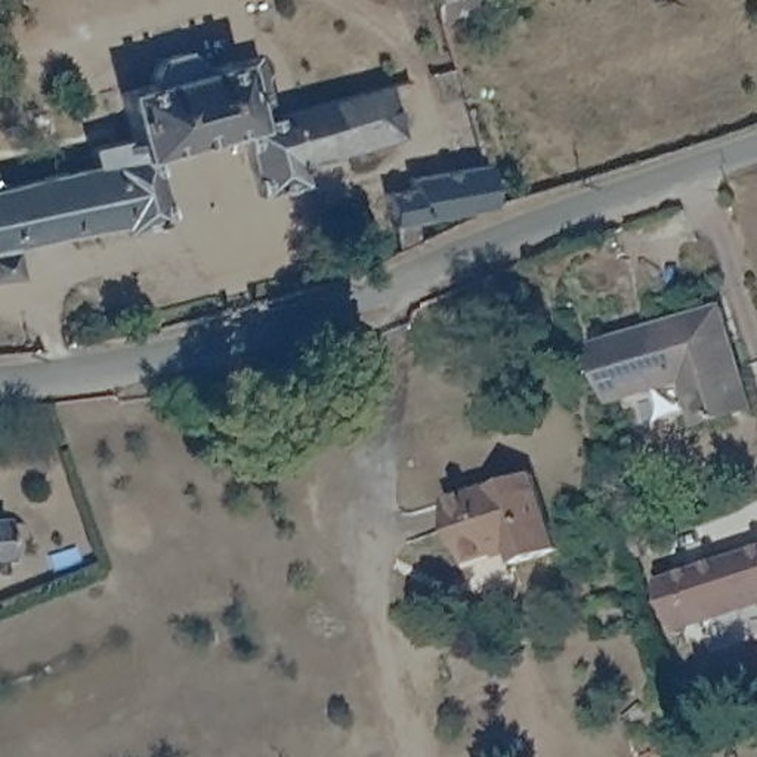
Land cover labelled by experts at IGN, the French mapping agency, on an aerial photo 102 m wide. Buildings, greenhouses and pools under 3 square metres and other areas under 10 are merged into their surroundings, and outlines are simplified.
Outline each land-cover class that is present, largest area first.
<instances>
[{"label":"herbaceous vegetation","instance_id":"1","mask_svg":"<svg viewBox=\"0 0 757 757\"><path fill-rule=\"evenodd\" d=\"M379 6H396L405 12L408 24L417 30L414 38L423 56L435 62L429 65V80L438 103L461 101V106L467 109V121L473 127V142L467 148L417 157L408 160L402 172H387L384 186L370 195L373 219L379 231L393 228L387 219V192L411 189V180L420 174L458 172L482 166L485 160L491 163L503 154L515 157L520 163L523 177L535 180V192L580 183L585 177H594L662 154L683 151L689 145L713 142L757 124V0H529L532 18L517 21L509 30V44H500V53L494 56H485L473 41L461 44L455 38V21L441 18V0H373ZM68 71L74 80L83 77L68 56H50L44 62L41 89L33 92L27 103L15 101H0V148H6L9 142L12 145H18L24 136H35L38 127H44L47 133H62V142L68 148L86 142L89 121L124 109L121 86L115 80L112 86H103L92 95L95 106L89 112H80L77 118H71L68 112H56V106L47 101V92H53V80L59 74ZM724 183H730L733 189L730 219L742 225L745 234V269L757 275V166L739 169L724 177ZM615 228L612 219H583L577 225H568L541 242L523 245L520 254L512 257L500 251L494 260H485L476 251V260L464 269H455L447 287H435L426 293L429 302L420 305L414 316H429V305L452 310L461 302L479 299L485 305L491 296L512 287L517 275V263L544 254L565 240H577L580 245H597L591 257L583 263V275L565 281L568 296H588V302L603 296H621L627 316L612 322H594L600 331H612L639 322L642 316L636 313L642 305V290H656L668 278L674 281V287H689L698 284V269L719 266L713 240L701 231H692L695 240L680 245L674 263H662L645 254H630V248L612 234ZM313 281H305V266L290 260V266L278 269L272 278L251 281L237 296L213 293L166 305H154L139 290V281L130 275L106 284L89 278L68 287L62 299V316L86 302L103 305L109 319H118L124 310L148 313L151 308H157L166 313V328L180 322H186V328L207 325L216 313L213 308H219L222 313L237 310L240 316L254 313L257 302H269L272 308L281 299L302 296ZM44 349V343L30 331L27 322L9 325L6 319H0V355H27ZM470 402V393L461 384L447 381V376L420 367L408 373V405L402 420L414 426V447L408 452H396V509L405 517H411L414 509H435L441 491L452 494L470 485H482L494 476L529 467H535L538 473L547 503H553L559 488H577L583 482V441L591 435L588 399H580V405L571 411L550 408L541 426L529 435H476L464 420V405ZM71 449L109 553V574L101 583H89L77 591H68L62 597H53L47 603H38L21 615L0 621V671L27 668L30 662L65 654L71 645L98 642L112 627H124L130 633V645L109 651L106 656H98L92 662H83L77 671L56 683L35 686L33 674L18 677L12 683V695H6V701L0 704V757H358L349 748L352 722L358 727H370L384 713L379 698L381 665L373 642L367 615L355 603V571L340 565L337 571H328L325 565V526L313 529L310 523V509L305 503V479L296 485H278L287 503V520L296 523V529L287 535L275 529L269 512H228L222 503V491L228 479L219 470H210L198 455H192L183 447L180 429L172 420H160L148 408V387L139 379L136 384H124L118 396L56 405ZM242 606L257 615V624L248 633V639L257 645L251 659H240L228 636V621H234L242 612ZM645 432L642 449H654V455L683 458L689 464H739L742 479L751 482V494L757 497V414L751 417L739 411H733V435L713 438V455L701 452L698 438H677L665 417L651 426H639ZM27 473H44L50 485L47 500H30L24 494L21 482ZM6 509L21 517L15 538L18 562H0V603L24 591L50 585L68 574L86 571L98 562V556L89 553L86 532L59 461L27 458L0 467V512ZM476 556V544L470 538H458L452 526L441 529L435 535L405 541L399 559L411 565V574L405 577L402 591L426 597L435 580L455 588L464 577L458 565ZM529 583L541 591H559L565 580L559 568L547 565H517V577L512 580L515 588L523 591ZM618 574H600L585 577L580 585H574L577 594L588 600L583 609L588 618H609L621 612V606L603 597H591L588 588L615 585ZM677 648V654L662 656L656 662V677H648L639 648L627 633L609 639L571 633L565 639V651L556 659L544 662L535 659L532 639H520V662L506 677L476 668L473 662L455 656L452 648H438L435 692L444 701L438 704L435 736L441 742V751L435 757H467L476 730L488 724L482 701L485 686L491 683L500 686L503 695L500 716L529 736L535 757H642L651 748V719L674 710L680 704V695L692 689L695 680H730L739 692H757V606L727 609L722 615H710L698 624H689L686 633L671 630L665 636ZM618 674L627 677L630 689L618 701L612 724L603 730H583L577 724L574 710L588 707L591 692L603 689Z\"/></svg>","mask_w":757,"mask_h":757},{"label":"deciduous trees","instance_id":"2","mask_svg":"<svg viewBox=\"0 0 757 757\"><path fill-rule=\"evenodd\" d=\"M21 18V24L35 27V12L30 9V0H0V101H15L24 80V59L12 38V21ZM532 18L529 0H476L470 15L455 21V38L461 44L473 41L485 56H494L500 53V44H509V30L517 21ZM47 101L56 106V112H68L71 118H77L80 112H89L95 106L92 95L83 77L74 80L68 71L59 74L53 80V92H47ZM18 160H44L68 148L62 142V133H47L44 127H38L35 136H24L18 145H12ZM491 172L503 180V189L512 198L535 192V180L523 177L520 163L515 157L503 154L491 163ZM402 251L399 228H393L379 231L373 219L367 222L361 213L337 210L325 228H313L310 240L302 248L290 251V260L305 266V281H313L387 287V272L384 260ZM698 284L689 287H674V281L668 278L656 290H642V305L636 313L642 316L659 310L689 313L707 296H722L724 272L719 266L698 269ZM429 316H414L408 322V343L420 367L447 376V381L461 384L470 393V402L464 405V420L476 435H529L541 426L550 408L571 411L580 405V399H588L591 435L583 441V482L577 488H559L553 503H547L550 517L544 520V529L553 547L547 565L559 568L565 580L559 591H541L529 583L523 591L515 588L509 600H482V594L470 588L464 577L455 588L435 580L426 597L402 591V597L390 600V621L411 639V645L438 648H452L455 656L473 662L476 668L506 677L520 662V639H532L535 659L544 662L556 659L565 651V639L571 633L609 639L627 633L639 648L648 677H656V662L662 656L677 654V648L665 636L651 606V597L645 594L651 588V580L642 574V562L630 556V541H648L651 547H659L677 541V547H686V535L695 532L701 523L724 517L757 500V497L751 494V482L742 479L739 464H689L683 458L654 455V449H642L645 432L633 420V411L621 402H600L588 381L591 370L583 367L580 355L588 337L577 328V316L568 308V296H556V308L547 310L541 287L517 275L512 287L491 296L485 305L479 299L461 302L452 310L429 305ZM600 574H618L615 585L588 588L591 597H603L621 606V612L609 618H588L583 609L588 600L577 594L574 585H580L585 577ZM166 328V313L157 308H151L148 313L124 310L118 319H109L103 305L86 302L62 316L65 343L89 346L109 337H127L139 343ZM370 325L361 319V313L343 316L334 325H325V331H316L302 361L290 370V376L272 373L266 379L257 370H240L225 381L207 384L204 390H198L189 381H172L157 390L148 387V408L160 420H172L180 429L183 447L192 455H198L210 470H219L228 479L222 491V503L228 512H269L275 529L287 535L296 529V523L287 520V503L278 485H296L305 479L313 470H322V464L331 458L364 452L381 435L387 411L376 405L370 387H376L384 376L390 349L384 337H367ZM71 449L56 405L0 408V467L27 458L59 461L62 452ZM24 494L30 500H47L50 485L44 473H27L21 482ZM257 624V615L242 606V612L234 621H228V636L240 659H251L257 645L248 639V633ZM130 645V633L124 627H112L98 642L71 645L65 654L30 662L27 668L0 671V704L6 701V695H12V683L18 677L33 674L35 686L56 683L77 671L83 662H92L98 656H106L109 651ZM630 689L627 677L618 674L603 689L591 692L588 707L574 710L577 724L583 730H603L612 724L618 701ZM642 757H757V692H739L730 680H695L692 689L680 695V704L674 710L651 719V748ZM488 724L476 730L467 757H535L529 736L500 716L503 695L500 686L491 683L485 686L482 701Z\"/></svg>","mask_w":757,"mask_h":757},{"label":"pervious surface","instance_id":"3","mask_svg":"<svg viewBox=\"0 0 757 757\"><path fill-rule=\"evenodd\" d=\"M30 9L35 12V27L21 24V18L12 21V38L24 59V80L15 101L27 103L33 92L41 89L44 62L50 56H68L83 77L92 95L103 86H112L115 80L121 86L133 77L136 62L157 71L163 59H172L177 53H198V59L219 56L242 71L257 59V53H263L272 59L275 83L281 89L275 106L278 121H293L316 103H343L349 98L373 95L381 89H399V101L411 121V136L396 133L387 148L352 160H337L334 166L340 172L322 174L313 163H308L305 174L313 180V189L299 195L296 204L284 195H257L248 151H242L240 145L169 160L163 177L169 180L174 195V228H151L145 237L109 231L101 245L86 248H77L71 240L41 245L33 248L27 257V281L0 284V319H6L9 325L27 322L30 331L44 343V349L47 358H62L65 343L62 316V299L68 287L89 278L106 284L130 275L139 281V290L154 305H166L213 293L237 296L251 281L272 278L278 269L290 266V251L302 248L310 240L313 228H325L337 210L361 213L367 222L373 219L370 195L384 186L387 172H402L408 160L417 157L467 148L473 142V127L467 121V109L461 106V101L438 103L429 80V65L435 62L423 56L414 38L417 30L408 24L405 12L396 6H379L373 0H30ZM757 136V124L713 142L689 145L683 151L662 154L594 177L600 186H612L656 172L662 166L707 151H722L727 145ZM757 166V157L730 163L710 177H698L692 183H680L609 207L600 219H612L654 207L668 198H677L683 204L665 222H651L642 228H615L612 234L630 248V254H645L662 263H674L680 245L695 240L692 231H701L713 240L719 266L724 272L722 296L727 328L736 340L745 343L757 379V275L745 269V234L742 225L730 219L733 189L730 183H724V177L739 169ZM583 195L580 183L535 192L512 198L500 210L479 213L476 219L461 222L411 251H402L384 260L387 272L399 263L441 251L458 240H470L488 228L506 225L523 213L577 198ZM757 544V500L724 517L701 523L695 532L686 535V547H677V541L659 547H651L648 541H630V556L642 562V574L651 580V571L668 574L683 565L707 562L727 550H745ZM381 665L379 698L384 713L370 727H358L352 722L349 748L358 757H435L441 751V742L435 736L438 704L444 701L435 692L438 648L411 645V639L390 621L381 624V636L373 642Z\"/></svg>","mask_w":757,"mask_h":757},{"label":"building","instance_id":"4","mask_svg":"<svg viewBox=\"0 0 757 757\"><path fill-rule=\"evenodd\" d=\"M476 0H441V18L455 21L470 15ZM281 89L275 83L272 59L263 53H257V59L242 71L219 56L198 59V53H177L172 59H163L157 71L136 62L133 77L121 86L124 109L136 130L127 139V145L101 151V163L95 169L53 174L18 186H9L0 172V284L27 281V257L33 248L41 245L71 240L77 248H86L101 245L109 231L145 237L151 228H174V195L169 180L163 177L169 160L240 145L242 151H248L257 195H284L296 204L299 195L313 189V180L305 174L308 163H313L322 174L340 172L334 166L337 160H352L387 148L396 133L411 136V121L399 101V89H381L373 95L349 98L343 103H316L293 121H278L275 106ZM512 198L503 189V180L491 172V163L485 160L482 166L458 172L420 174L411 180V189L387 192V219L393 228H399L402 251H411L461 222L476 219L479 213L500 210ZM736 340L727 328L722 296H707L689 313L659 310L642 316L639 322L612 331H600L594 322L588 325V337L580 355L583 367L591 370L588 381L600 402H621L624 396L639 390H656L662 396L665 390L677 387L674 405L680 408L674 417H665L677 438H698L701 452L713 455V438L733 435V411H739L754 390L745 393L739 387V373L730 361V343ZM550 517L547 503L538 473L535 467H529L494 476L482 485H470L452 494L441 491L435 509V523L441 529L452 526L458 538H470L476 544V556H503L512 559V565H547L553 547L544 529V520ZM21 517L6 509L0 512V562H18L15 538ZM645 594L651 597V606L665 636L671 630L686 633L689 624H698L710 615H722L727 609L757 606V544L745 550H727L707 562L683 565L668 574L651 571V588Z\"/></svg>","mask_w":757,"mask_h":757},{"label":"impervious surface","instance_id":"5","mask_svg":"<svg viewBox=\"0 0 757 757\"><path fill-rule=\"evenodd\" d=\"M136 130L124 109L89 121L86 142L68 148L44 160H18L12 145L9 142L6 148H0V172L9 186H18L53 174L95 169L101 163V151L127 145V139ZM757 157V136L727 145L722 151H707L662 166L656 172L612 186H600L594 177H585L580 183L583 195L577 198L523 213L506 225L488 228L470 240H458L441 251L399 263L387 272V287L313 281L302 296L281 299L272 308L269 302H257L254 313L240 316L237 310L222 313L219 308H213L216 313L207 325L186 328V322H180L166 328L139 343L127 337H109L89 346L65 343L62 358H47L44 349L27 355H0V408L56 405L118 396L124 384H136L139 379L148 387L157 390L172 381H189L198 390H204L207 384L225 381L240 370H257L266 379L272 373L290 376V370L302 361L316 331H325V325H334L343 316L361 313V319L370 325L367 337H384L390 349L384 376L376 387H370L376 405L387 411L381 435L364 452L331 458L322 464V470H313L305 479V503L310 509V523L313 529L325 526V565L328 571H337L340 565L355 571V603L367 615L373 642L381 636V624L390 621V600L402 597V591L405 577L411 574V565L399 559L405 541L435 535L441 529L435 523V509H414L411 517H405L396 509V452H408L414 447V426L402 420L408 405V373L420 367L408 343V322L414 316L420 305L429 302L426 293L435 287H447L455 269H464L476 260V251L485 260H494L500 251L512 257L520 254L523 245L541 242L568 225H577L583 219H600L609 207L680 183H692L698 177H710L730 163ZM677 387L665 390L662 396L656 390H639L624 396L621 402L633 411V420L639 426H651L665 417H674L680 408L674 405ZM464 577L470 588L482 594V600H509L515 588L512 580L517 577V565H512V559L503 556H476L458 565Z\"/></svg>","mask_w":757,"mask_h":757},{"label":"brushwood","instance_id":"6","mask_svg":"<svg viewBox=\"0 0 757 757\"><path fill-rule=\"evenodd\" d=\"M683 204L677 198H668L654 207L612 219L615 228H642L651 222H665ZM597 245H580L577 240H565L544 254L517 263V275L541 287L547 310L556 308V296H568L565 281L583 275V263L591 257ZM568 308L577 316V328L588 337V325L594 322H612L627 316L621 296H603L588 302V296H568ZM730 361L739 373V387L745 393L754 390L739 411L751 417L757 414V379L745 343L736 340L730 343ZM86 532L89 553L98 556V562L86 571L68 574L50 585L24 591L0 603V621L21 615L38 603H47L53 597H62L68 591H77L89 583H101L109 574V553L71 449L62 452L59 461Z\"/></svg>","mask_w":757,"mask_h":757}]
</instances>
